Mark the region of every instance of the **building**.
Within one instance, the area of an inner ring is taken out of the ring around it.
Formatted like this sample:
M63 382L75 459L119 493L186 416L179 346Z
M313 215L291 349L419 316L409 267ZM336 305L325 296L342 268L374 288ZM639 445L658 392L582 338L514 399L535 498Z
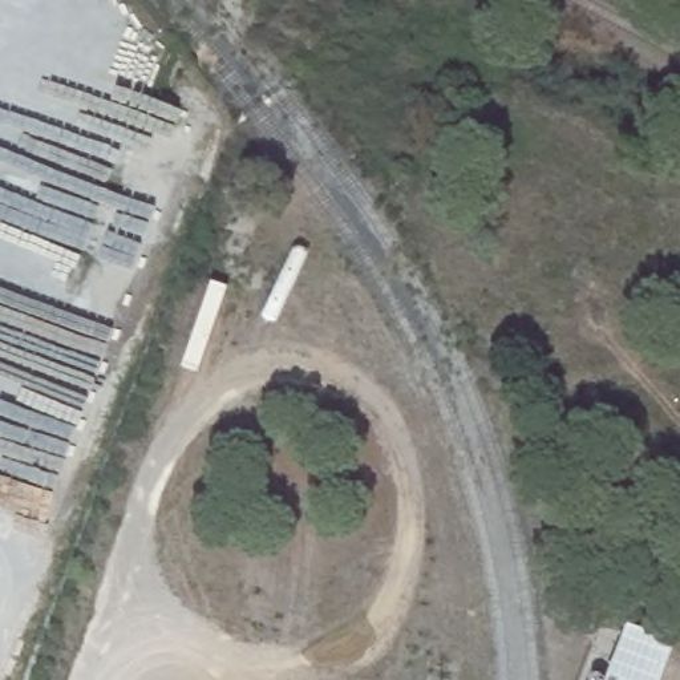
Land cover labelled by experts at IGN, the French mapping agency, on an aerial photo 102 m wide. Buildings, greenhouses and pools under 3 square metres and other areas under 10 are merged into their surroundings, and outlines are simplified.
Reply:
M624 624L622 630L622 643L616 648L614 661L608 664L608 672L616 680L661 680L669 648L638 624Z

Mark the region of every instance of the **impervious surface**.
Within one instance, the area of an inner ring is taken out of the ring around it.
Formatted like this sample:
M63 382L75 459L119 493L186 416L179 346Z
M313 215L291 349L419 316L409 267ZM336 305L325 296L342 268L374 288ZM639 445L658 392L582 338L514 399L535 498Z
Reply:
M199 88L181 88L175 93L170 88L154 85L159 58L165 53L162 40L151 40L151 35L141 27L141 19L120 0L0 0L0 680L11 680L16 659L24 645L24 630L29 624L29 616L37 611L40 587L53 563L56 539L66 531L74 507L80 505L77 497L69 491L69 483L80 462L98 452L98 438L109 406L117 396L117 385L128 375L133 351L143 340L143 329L154 313L154 303L162 290L162 274L170 260L170 244L165 239L173 239L181 231L189 199L202 197L207 191L218 151L231 133L228 117L218 104L210 101L210 96Z

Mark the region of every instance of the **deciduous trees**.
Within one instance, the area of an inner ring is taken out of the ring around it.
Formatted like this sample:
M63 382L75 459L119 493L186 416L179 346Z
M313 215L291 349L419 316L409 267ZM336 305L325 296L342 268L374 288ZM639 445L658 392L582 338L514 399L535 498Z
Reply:
M218 223L228 228L239 218L250 218L252 213L268 213L279 218L287 207L295 191L295 178L282 178L279 170L266 159L250 159L244 175L236 181L236 191L220 191Z
M311 483L308 491L298 494L300 518L292 515L279 497L268 494L268 475L276 473L274 441L279 436L287 436L292 441L295 460L305 470ZM207 547L239 547L247 555L274 555L295 537L298 521L311 523L316 529L316 537L343 537L359 529L369 513L377 478L372 468L367 468L359 460L359 449L367 444L367 438L356 436L353 425L343 414L324 412L311 401L311 396L292 390L274 393L266 401L258 398L250 409L220 412L220 417L207 430L205 468L191 494L194 534Z
M165 53L159 58L154 85L170 88L173 66L183 56L189 61L197 56L197 45L191 43L189 32L181 40L165 35L162 40Z
M680 255L648 255L627 279L627 308L619 311L619 327L627 348L638 356L648 353L659 364L669 367L661 383L669 393L680 398Z
M507 460L507 481L513 489L513 499L518 505L526 505L534 515L545 521L534 529L531 542L526 542L529 574L534 574L545 584L545 614L560 632L598 632L603 627L622 630L624 624L638 624L669 648L680 648L680 433L675 430L675 425L659 404L648 398L640 401L635 390L619 388L608 380L579 383L571 393L566 388L563 364L553 356L550 337L531 316L505 316L491 335L489 367L502 380L502 401L510 406L513 420L513 452Z
M441 66L420 66L417 72L422 82L412 82L412 90L420 90L425 96L425 112L414 125L414 133L422 141L417 146L406 146L404 151L393 151L390 159L398 165L390 170L390 175L383 181L369 181L375 186L375 197L388 194L388 199L401 205L401 210L430 207L438 220L444 220L449 228L468 239L468 244L475 252L489 255L499 250L499 244L505 242L505 210L510 207L515 191L513 175L523 186L531 186L534 178L539 178L539 170L534 165L545 167L553 162L547 133L550 120L539 117L547 104L590 120L600 130L619 128L619 135L614 138L614 151L619 157L614 162L616 173L624 170L630 175L638 175L643 170L653 178L680 183L680 74L667 74L667 80L661 80L661 90L651 93L648 85L640 82L635 72L630 72L627 64L619 61L614 53L590 56L560 48L550 56L547 66L515 72L505 72L489 64L486 58L481 66L457 58L449 58Z

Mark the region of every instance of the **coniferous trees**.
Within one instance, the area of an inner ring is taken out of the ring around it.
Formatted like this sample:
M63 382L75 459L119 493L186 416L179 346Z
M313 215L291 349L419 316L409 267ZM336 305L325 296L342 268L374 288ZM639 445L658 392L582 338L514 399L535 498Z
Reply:
M643 40L659 43L680 56L680 0L614 0L614 11L632 21Z

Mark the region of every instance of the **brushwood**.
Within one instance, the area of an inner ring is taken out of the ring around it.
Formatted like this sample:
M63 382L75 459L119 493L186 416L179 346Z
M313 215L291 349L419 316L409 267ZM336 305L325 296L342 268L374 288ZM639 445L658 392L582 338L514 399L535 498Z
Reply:
M295 178L295 162L287 157L287 149L279 141L252 138L244 128L231 133L218 151L207 191L202 197L189 199L181 231L173 239L165 239L170 244L170 260L162 274L162 290L154 303L154 313L143 329L143 340L133 351L128 375L117 385L117 396L109 406L98 438L98 452L80 462L69 483L69 491L77 497L80 505L74 507L66 531L56 539L53 563L40 587L37 611L29 616L29 624L24 630L24 645L16 659L11 680L69 680L72 664L85 640L85 630L96 611L98 584L117 529L125 518L133 478L149 452L151 428L173 406L178 375L183 372L181 361L197 313L202 308L205 290L210 282L220 282L228 276L228 228L218 223L220 191L236 191L236 181L244 175L250 159L266 159L279 170L282 178Z

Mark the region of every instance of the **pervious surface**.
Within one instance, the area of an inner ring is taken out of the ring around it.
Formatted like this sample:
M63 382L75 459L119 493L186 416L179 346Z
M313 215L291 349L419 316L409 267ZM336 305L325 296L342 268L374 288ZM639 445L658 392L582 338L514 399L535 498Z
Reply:
M648 85L651 93L661 90L661 80L667 80L667 74L680 74L680 56L659 43L643 40L632 21L614 11L614 0L547 0L553 8L558 8L563 24L558 37L560 48L590 56L614 53L619 61L627 64L630 72L635 72L640 82Z
M300 215L324 218L324 228L340 250L340 258L345 260L345 271L356 276L359 284L367 290L396 345L406 353L406 359L430 356L438 372L438 383L444 385L444 393L454 396L452 359L444 359L438 353L438 345L457 348L457 335L441 332L441 313L430 303L430 292L422 282L420 268L404 255L404 244L396 239L393 247L383 247L380 239L369 231L367 220L361 218L361 210L375 202L375 197L375 186L369 181L364 181L356 173L356 167L348 165L343 149L332 141L321 120L308 117L295 85L290 80L282 80L279 58L244 37L244 29L255 21L255 16L242 11L242 19L231 16L223 0L120 0L141 19L141 27L151 35L151 40L162 40L165 35L181 40L189 32L191 43L197 45L197 56L210 66L215 80L220 80L220 85L210 96L210 101L218 104L228 117L231 133L244 128L252 138L279 141L287 149L287 157L295 162L295 178L295 191L287 207L298 210Z
M414 600L414 584L420 576L425 542L425 502L417 452L412 446L412 436L401 417L401 409L388 396L388 390L383 390L364 369L343 361L332 351L313 348L311 356L298 356L282 351L255 351L236 353L231 361L210 367L202 356L226 295L226 284L220 282L210 282L205 290L202 308L197 313L181 361L183 372L178 375L173 406L151 428L149 452L133 478L125 518L117 529L98 584L96 611L85 630L85 640L72 664L69 680L327 680L327 672L337 661L356 659L361 669L375 664L393 643L401 619L406 616ZM220 417L220 412L250 409L258 398L266 401L274 393L292 390L311 396L311 401L324 412L343 414L353 425L356 436L367 438L372 433L377 438L388 460L388 475L396 486L396 542L388 560L388 571L372 606L351 606L332 622L319 619L321 638L311 640L303 648L303 653L298 653L292 645L242 643L226 635L215 622L207 622L197 616L191 608L186 608L162 579L154 545L157 507L186 446L202 430L207 430Z

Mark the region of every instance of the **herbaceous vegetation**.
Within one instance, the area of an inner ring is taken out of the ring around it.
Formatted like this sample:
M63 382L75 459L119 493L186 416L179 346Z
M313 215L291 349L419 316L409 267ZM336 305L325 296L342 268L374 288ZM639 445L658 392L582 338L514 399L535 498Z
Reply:
M343 149L348 165L356 167L356 173L364 181L369 181L383 181L390 175L390 170L398 165L390 159L393 151L404 151L406 146L417 146L422 141L414 133L414 125L425 112L425 96L420 90L412 90L412 82L422 82L417 72L420 66L441 66L449 58L457 58L481 66L486 58L489 64L505 72L515 72L547 66L550 56L560 48L558 37L563 24L558 8L553 8L547 0L223 0L231 16L242 19L242 11L255 16L255 21L244 29L244 37L279 58L282 80L290 80L295 85L308 117L321 120L332 141Z
M661 680L680 680L680 648L669 648Z
M627 279L648 255L680 255L680 183L653 178L643 170L638 175L630 175L624 170L616 173L614 162L619 157L614 151L614 138L619 135L619 128L600 130L590 120L547 104L539 117L550 120L547 133L553 162L545 167L534 165L539 170L539 178L534 178L531 186L523 186L513 175L515 191L510 207L505 210L505 242L499 244L499 250L489 255L475 252L468 244L468 239L449 228L444 220L438 220L430 207L401 210L401 205L388 199L388 194L375 197L375 202L361 210L361 218L367 220L369 231L380 239L383 247L393 247L396 239L404 244L404 255L420 268L422 282L430 292L430 303L441 313L441 332L457 335L457 348L438 345L438 353L444 359L452 359L454 396L444 393L444 385L438 383L438 372L430 356L406 359L406 353L396 345L367 290L359 284L356 276L345 271L345 260L340 258L340 250L324 228L324 218L300 215L298 210L287 207L279 218L268 213L252 213L250 218L239 218L228 228L228 276L220 282L226 284L226 295L202 356L210 367L231 361L236 353L255 351L282 351L298 356L311 356L313 348L332 351L343 361L364 369L383 390L388 390L388 396L401 409L401 417L412 436L412 446L417 452L425 502L425 542L420 576L414 584L414 600L406 616L401 619L393 643L375 664L361 669L356 659L337 661L327 672L327 680L616 680L608 672L608 664L614 661L616 648L622 643L622 630L603 627L598 632L560 632L545 614L545 584L534 574L529 574L526 542L531 542L534 529L545 521L534 515L526 505L518 505L513 499L513 489L507 481L507 460L513 452L513 420L510 406L502 401L502 380L489 367L491 335L505 316L531 316L550 337L553 356L563 364L566 388L571 393L579 383L608 380L619 388L635 390L640 401L648 398L659 404L675 425L675 430L680 433L680 398L669 393L661 383L669 367L659 364L648 353L638 356L627 348L619 327L619 311L627 308Z
M268 494L279 497L292 515L300 518L298 494L308 491L311 483L305 470L295 460L292 441L287 436L279 436L274 441L276 473L268 475Z
M210 96L220 85L220 80L215 80L210 66L197 56L189 61L183 56L173 66L170 88L175 93L181 88L199 88Z
M242 643L292 645L298 653L303 653L303 648L311 640L321 638L319 619L332 622L351 606L372 606L388 571L388 560L396 542L396 486L388 475L388 460L377 438L372 433L367 438L367 444L359 449L359 460L367 468L372 468L377 478L369 513L359 529L343 537L316 537L316 529L311 523L298 521L295 537L274 555L247 555L239 547L207 547L194 534L191 494L205 468L207 430L202 430L186 446L157 507L154 545L162 579L186 608L191 608L197 616L207 622L215 622L226 635Z

